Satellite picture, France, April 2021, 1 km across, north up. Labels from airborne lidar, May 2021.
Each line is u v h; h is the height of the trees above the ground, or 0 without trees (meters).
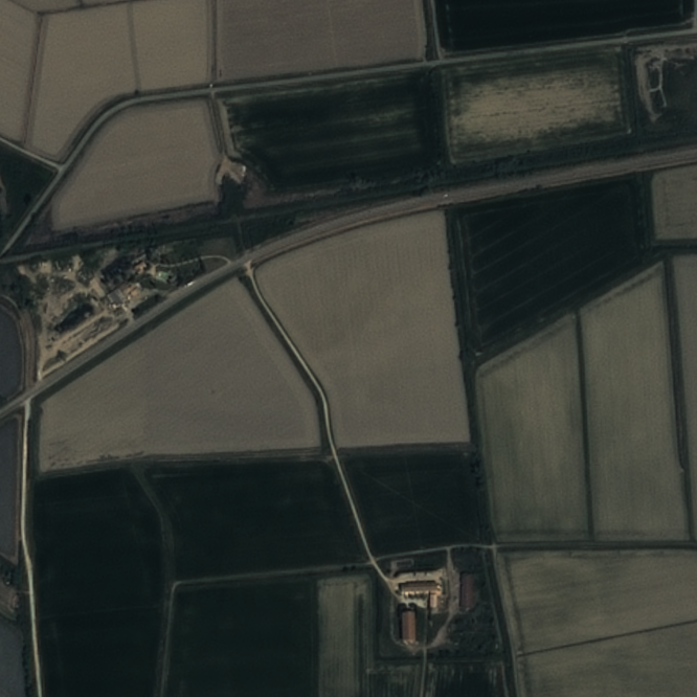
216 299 0
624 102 0
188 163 0
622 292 0
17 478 0
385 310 0
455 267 6
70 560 0
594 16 0
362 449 0
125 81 0
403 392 0
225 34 0
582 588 0
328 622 0
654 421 0
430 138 0
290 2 0
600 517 0
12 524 0
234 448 0
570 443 0
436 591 0
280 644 0
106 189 0
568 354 0
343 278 0
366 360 0
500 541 0
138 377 0
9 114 0
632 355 0
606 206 0
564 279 0
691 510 0
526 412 0
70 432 0
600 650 0
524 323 0
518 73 0
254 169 0
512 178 12
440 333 0
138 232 8
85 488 0
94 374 0
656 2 0
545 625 0
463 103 0
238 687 0
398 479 0
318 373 0
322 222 0
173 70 0
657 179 0
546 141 0
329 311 0
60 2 0
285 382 0
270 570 0
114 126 0
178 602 0
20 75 0
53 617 0
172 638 0
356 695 0
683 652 0
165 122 0
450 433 0
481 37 0
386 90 0
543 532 0
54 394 0
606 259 0
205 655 0
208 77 0
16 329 0
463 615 0
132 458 0
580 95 0
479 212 0
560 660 0
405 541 0
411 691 0
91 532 0
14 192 0
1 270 6
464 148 0
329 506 0
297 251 0
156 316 0
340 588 0
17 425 0
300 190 0
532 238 0
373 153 0
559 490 0
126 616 0
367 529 0
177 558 0
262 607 0
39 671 0
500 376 0
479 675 0
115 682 0
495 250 0
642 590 0
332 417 0
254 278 0
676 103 0
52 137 0
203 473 0
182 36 0
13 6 0
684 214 0
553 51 0
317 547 0
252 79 0
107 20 0
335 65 0
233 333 0
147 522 0
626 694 0
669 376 0
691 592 0
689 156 0
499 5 0
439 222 0
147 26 0
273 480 0
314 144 0
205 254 0
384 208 0
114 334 0
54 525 0
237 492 0
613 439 0
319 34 0
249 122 0
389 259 0
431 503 0
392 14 0
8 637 0
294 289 0
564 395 0
